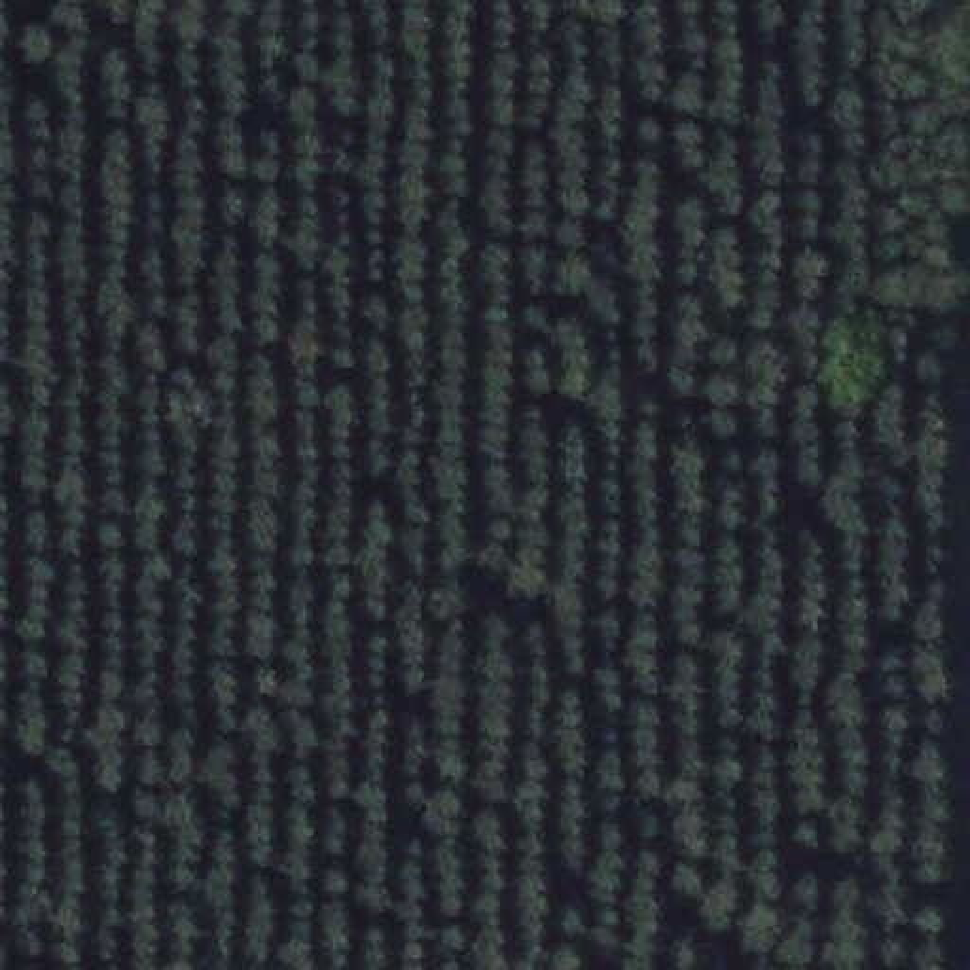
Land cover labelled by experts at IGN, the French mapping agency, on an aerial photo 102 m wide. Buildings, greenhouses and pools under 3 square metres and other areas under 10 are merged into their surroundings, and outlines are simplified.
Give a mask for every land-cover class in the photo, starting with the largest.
<instances>
[{"label":"coniferous trees","instance_id":"1","mask_svg":"<svg viewBox=\"0 0 970 970\"><path fill-rule=\"evenodd\" d=\"M193 383L205 394L208 409L220 417L216 428L197 432L189 409H171L174 386ZM0 970H970V0H0Z\"/></svg>","mask_w":970,"mask_h":970},{"label":"deciduous trees","instance_id":"2","mask_svg":"<svg viewBox=\"0 0 970 970\"><path fill-rule=\"evenodd\" d=\"M171 409H189L197 432L216 428L220 417L208 409L205 394L193 383L174 386Z\"/></svg>","mask_w":970,"mask_h":970}]
</instances>
